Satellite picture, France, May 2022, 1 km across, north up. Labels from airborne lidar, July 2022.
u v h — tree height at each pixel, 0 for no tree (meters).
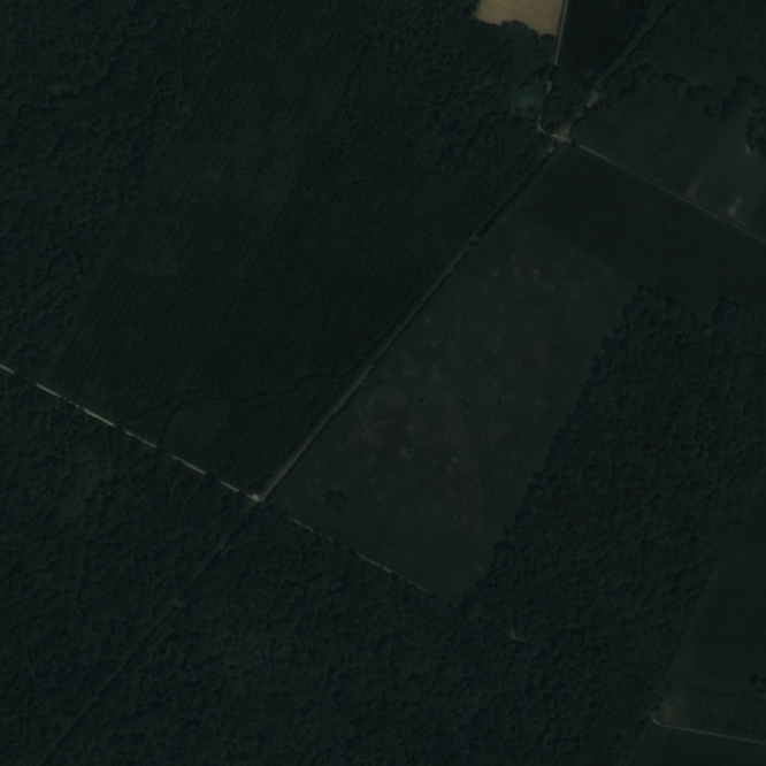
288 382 7
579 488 22
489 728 18
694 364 25
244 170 5
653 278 0
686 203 0
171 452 14
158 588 20
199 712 16
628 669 17
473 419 0
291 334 9
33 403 26
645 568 36
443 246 8
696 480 22
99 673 21
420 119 18
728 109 20
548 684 17
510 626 25
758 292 0
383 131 9
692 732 0
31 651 14
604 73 14
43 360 22
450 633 20
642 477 23
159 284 5
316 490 0
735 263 0
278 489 8
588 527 21
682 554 28
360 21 13
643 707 18
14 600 18
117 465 24
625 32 0
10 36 22
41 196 29
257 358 9
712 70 0
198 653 28
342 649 21
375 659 24
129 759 11
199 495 24
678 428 23
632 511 23
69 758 27
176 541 13
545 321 0
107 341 6
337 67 6
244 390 9
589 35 0
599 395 21
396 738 25
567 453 22
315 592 22
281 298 8
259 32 6
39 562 14
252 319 9
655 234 0
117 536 25
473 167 19
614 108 15
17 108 16
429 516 0
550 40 14
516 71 26
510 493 0
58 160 23
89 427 17
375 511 0
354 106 12
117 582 28
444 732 26
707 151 0
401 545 0
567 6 0
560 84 20
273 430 9
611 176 0
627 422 21
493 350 0
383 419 0
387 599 22
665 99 0
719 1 23
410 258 7
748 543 0
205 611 23
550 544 23
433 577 0
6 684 20
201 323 6
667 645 32
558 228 0
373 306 7
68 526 23
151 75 24
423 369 0
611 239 0
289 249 9
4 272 28
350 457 0
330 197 7
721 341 27
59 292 18
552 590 24
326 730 24
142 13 21
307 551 18
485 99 25
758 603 0
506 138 17
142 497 21
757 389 25
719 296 0
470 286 0
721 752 0
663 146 0
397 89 18
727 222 0
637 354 21
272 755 23
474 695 25
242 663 18
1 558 22
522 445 0
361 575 24
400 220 7
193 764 28
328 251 9
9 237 25
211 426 17
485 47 20
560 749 22
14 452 19
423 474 0
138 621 26
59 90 13
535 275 0
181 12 23
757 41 22
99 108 21
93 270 26
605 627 24
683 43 20
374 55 18
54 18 20
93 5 21
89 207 19
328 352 8
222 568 28
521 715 27
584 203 0
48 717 22
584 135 0
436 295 9
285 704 26
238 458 11
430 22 18
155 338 6
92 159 22
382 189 8
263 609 21
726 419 26
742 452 23
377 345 8
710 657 0
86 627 28
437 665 16
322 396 8
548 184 0
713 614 0
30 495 25
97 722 22
